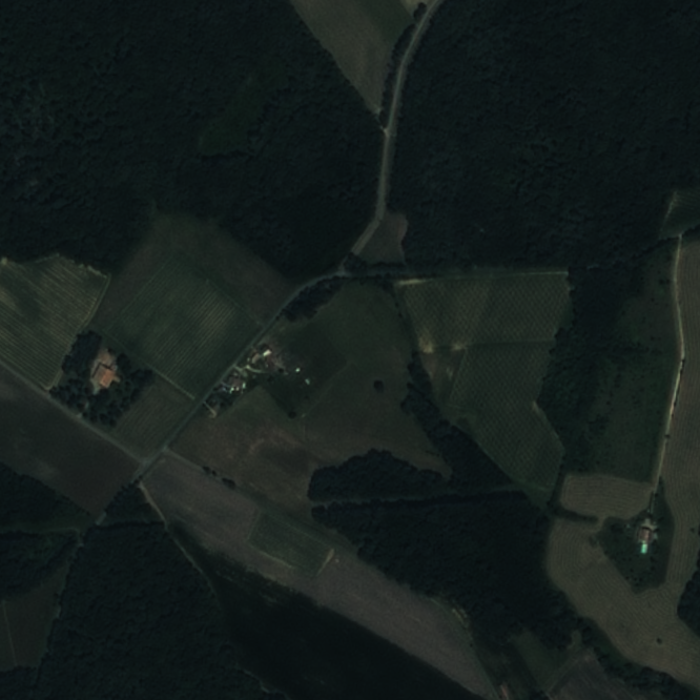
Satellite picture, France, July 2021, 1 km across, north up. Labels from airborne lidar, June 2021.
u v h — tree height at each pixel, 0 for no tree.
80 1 21
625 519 0
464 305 0
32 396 0
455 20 18
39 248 15
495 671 0
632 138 23
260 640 0
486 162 22
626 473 0
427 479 21
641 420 0
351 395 0
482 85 24
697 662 0
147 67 24
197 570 11
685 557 0
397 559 15
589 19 23
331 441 0
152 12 22
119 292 0
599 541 0
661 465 0
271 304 0
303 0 0
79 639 28
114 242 20
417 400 21
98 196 23
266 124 17
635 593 0
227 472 0
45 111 21
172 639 27
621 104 19
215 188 23
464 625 0
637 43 25
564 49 24
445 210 21
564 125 14
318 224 13
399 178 16
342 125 23
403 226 0
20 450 0
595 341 14
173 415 0
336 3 0
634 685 9
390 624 0
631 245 16
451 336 0
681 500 0
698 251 0
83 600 18
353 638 0
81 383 11
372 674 0
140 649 27
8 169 19
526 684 0
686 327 0
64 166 21
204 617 25
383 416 0
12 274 0
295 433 0
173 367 0
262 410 0
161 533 20
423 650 0
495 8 15
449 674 0
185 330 0
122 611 26
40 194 22
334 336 0
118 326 0
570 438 7
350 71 0
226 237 0
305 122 19
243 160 17
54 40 20
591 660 0
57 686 23
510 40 27
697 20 23
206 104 22
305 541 0
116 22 24
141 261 0
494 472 18
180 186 22
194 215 12
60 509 9
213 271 0
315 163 23
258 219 18
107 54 13
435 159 24
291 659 0
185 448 0
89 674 32
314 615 0
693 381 0
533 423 0
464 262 19
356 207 8
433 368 0
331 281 7
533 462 0
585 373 10
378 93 0
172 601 28
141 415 0
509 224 16
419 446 0
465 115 25
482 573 15
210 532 0
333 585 0
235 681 20
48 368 0
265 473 0
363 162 19
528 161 24
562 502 0
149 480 0
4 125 27
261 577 0
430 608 0
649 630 0
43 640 0
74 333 0
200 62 21
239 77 23
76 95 17
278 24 22
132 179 23
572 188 19
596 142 26
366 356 0
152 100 22
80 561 15
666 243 13
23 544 17
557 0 15
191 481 0
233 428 0
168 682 24
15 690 14
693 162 20
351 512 25
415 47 0
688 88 25
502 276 0
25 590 19
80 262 13
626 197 16
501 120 19
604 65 26
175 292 0
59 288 0
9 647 0
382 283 10
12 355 0
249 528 0
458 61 21
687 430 0
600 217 17
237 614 0
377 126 12
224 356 0
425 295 0
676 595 0
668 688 6
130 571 18
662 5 23
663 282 9
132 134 23
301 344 0
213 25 24
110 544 20
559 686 0
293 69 16
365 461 14
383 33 0
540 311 0
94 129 17
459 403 0
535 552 16
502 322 0
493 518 19
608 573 0
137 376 12
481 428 0
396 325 0
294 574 0
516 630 15
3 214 21
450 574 19
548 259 21
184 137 22
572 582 0
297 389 0
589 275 15
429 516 22
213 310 0
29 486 13
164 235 0
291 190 21
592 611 0
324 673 0
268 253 11
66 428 0
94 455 0
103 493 0
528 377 0
